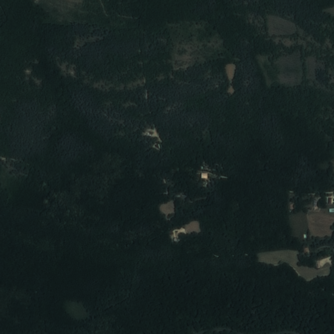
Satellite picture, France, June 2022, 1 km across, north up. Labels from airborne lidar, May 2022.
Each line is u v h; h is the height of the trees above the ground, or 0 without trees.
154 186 17
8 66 13
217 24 15
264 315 18
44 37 14
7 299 20
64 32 10
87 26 14
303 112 8
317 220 0
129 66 10
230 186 17
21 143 11
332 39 6
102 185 19
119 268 10
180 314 26
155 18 13
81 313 0
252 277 18
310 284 14
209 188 13
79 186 20
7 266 17
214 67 10
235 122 13
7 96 10
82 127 17
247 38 12
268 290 23
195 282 23
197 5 10
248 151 15
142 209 14
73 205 21
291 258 0
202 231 6
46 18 9
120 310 17
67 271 15
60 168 13
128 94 11
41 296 20
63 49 10
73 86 10
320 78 14
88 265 12
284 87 9
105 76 10
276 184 17
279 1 14
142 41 10
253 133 15
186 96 9
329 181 13
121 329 22
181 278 25
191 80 6
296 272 12
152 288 21
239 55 11
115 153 19
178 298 24
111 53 10
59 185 17
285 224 11
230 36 13
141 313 17
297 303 28
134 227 11
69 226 13
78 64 11
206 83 13
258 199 16
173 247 13
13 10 13
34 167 16
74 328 9
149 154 15
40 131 15
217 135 17
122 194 16
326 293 18
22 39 12
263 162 19
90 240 17
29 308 20
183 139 14
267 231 19
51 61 6
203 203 11
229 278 18
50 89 10
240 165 17
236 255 12
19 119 13
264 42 9
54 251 17
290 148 15
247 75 7
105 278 10
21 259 17
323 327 27
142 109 11
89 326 22
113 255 14
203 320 25
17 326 13
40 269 17
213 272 19
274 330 14
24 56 10
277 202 12
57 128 15
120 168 21
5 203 14
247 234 15
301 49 9
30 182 10
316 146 12
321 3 10
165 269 19
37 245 16
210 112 10
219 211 21
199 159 14
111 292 13
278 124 12
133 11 8
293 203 12
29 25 15
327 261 0
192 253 14
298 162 17
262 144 12
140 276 14
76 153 19
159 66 8
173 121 14
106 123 12
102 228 12
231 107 14
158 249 15
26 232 18
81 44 0
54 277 12
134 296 16
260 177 20
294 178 17
